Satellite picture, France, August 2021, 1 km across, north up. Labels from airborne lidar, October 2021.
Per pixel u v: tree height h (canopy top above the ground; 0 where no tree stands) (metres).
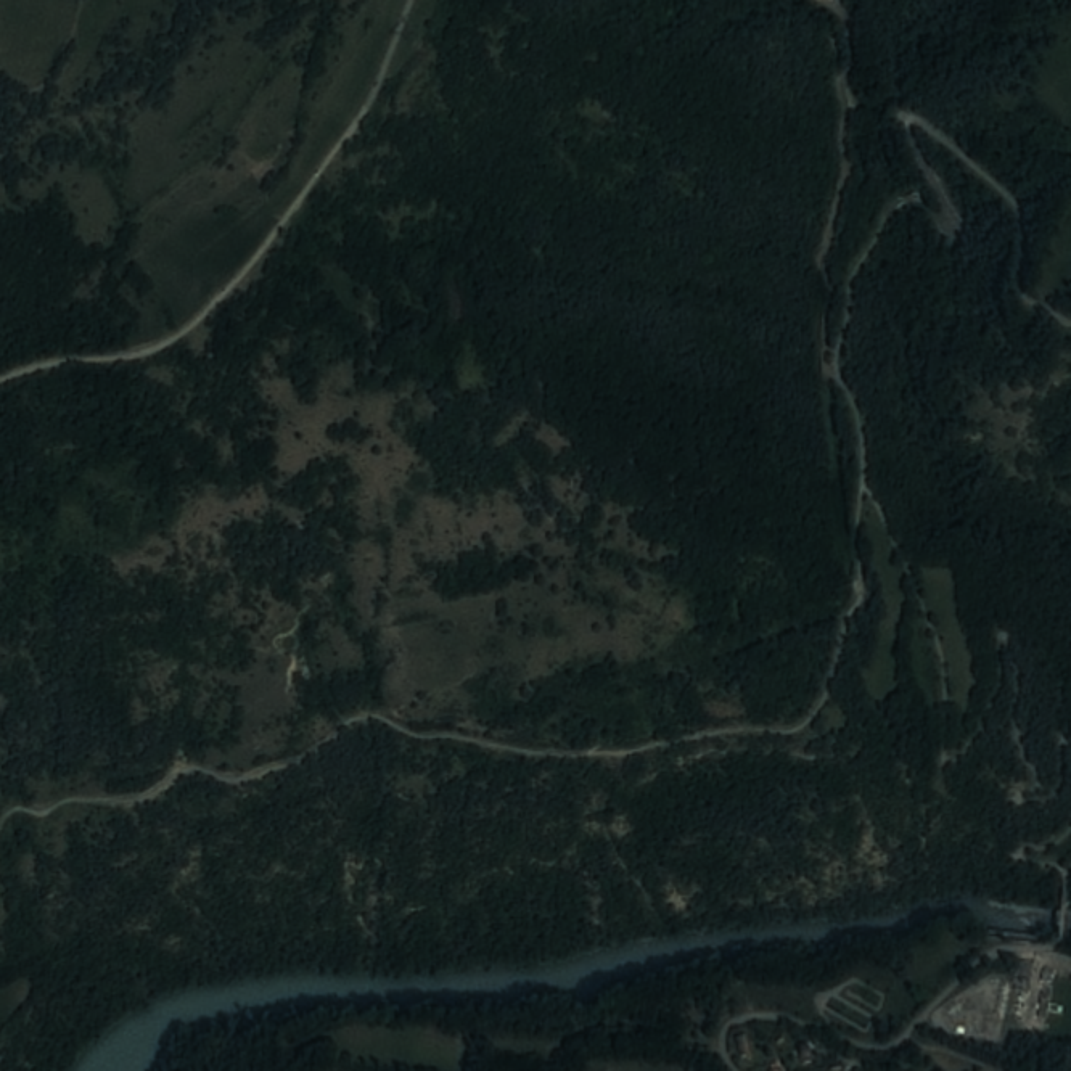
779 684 12
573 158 7
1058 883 13
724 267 11
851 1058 11
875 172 19
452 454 10
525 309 16
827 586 19
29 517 8
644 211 11
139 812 7
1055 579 20
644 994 14
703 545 16
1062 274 0
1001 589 16
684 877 10
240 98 0
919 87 14
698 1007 9
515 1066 11
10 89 10
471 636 0
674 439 21
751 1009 0
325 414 0
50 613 7
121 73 8
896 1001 0
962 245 14
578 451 13
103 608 10
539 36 12
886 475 12
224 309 12
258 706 0
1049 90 0
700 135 12
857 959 14
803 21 13
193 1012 0
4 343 10
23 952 15
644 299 13
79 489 8
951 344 16
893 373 17
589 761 10
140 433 13
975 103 7
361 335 9
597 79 14
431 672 0
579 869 9
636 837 10
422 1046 0
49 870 7
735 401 19
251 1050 11
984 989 0
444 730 9
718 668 5
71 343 9
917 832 7
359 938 15
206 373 9
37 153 7
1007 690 13
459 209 12
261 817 8
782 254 19
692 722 11
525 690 7
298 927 9
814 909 13
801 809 12
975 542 20
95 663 8
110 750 10
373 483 0
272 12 7
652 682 6
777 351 15
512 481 12
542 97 10
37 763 8
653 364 16
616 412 23
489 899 10
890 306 17
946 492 23
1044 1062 15
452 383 7
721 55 14
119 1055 0
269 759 7
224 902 8
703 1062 17
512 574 6
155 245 0
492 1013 30
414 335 16
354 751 9
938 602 0
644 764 9
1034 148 11
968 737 10
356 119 0
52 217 10
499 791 12
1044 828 9
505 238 10
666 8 17
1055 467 11
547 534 7
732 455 20
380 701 8
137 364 9
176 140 0
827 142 11
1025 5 7
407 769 7
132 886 6
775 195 15
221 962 13
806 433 19
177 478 11
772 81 11
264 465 10
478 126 7
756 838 7
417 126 10
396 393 8
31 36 0
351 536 8
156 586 11
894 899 10
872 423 14
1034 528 19
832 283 11
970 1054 17
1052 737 20
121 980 12
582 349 16
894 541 10
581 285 18
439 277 15
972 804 9
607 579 0
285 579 9
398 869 10
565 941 12
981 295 13
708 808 15
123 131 11
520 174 14
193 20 7
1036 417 7
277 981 0
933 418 20
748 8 16
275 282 7
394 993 0
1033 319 6
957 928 15
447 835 8
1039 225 18
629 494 12
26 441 13
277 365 7
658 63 15
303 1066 14
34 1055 14
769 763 11
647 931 11
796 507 15
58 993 10
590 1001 12
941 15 13
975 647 13
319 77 9
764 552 13
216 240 0
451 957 16
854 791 8
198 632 8
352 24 0
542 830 6
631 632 0
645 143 10
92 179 0
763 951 17
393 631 0
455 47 7
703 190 10
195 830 12
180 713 8
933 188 9
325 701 9
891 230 12
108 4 0
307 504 12
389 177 9
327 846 9
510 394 9
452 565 7
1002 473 12
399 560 0
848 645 15
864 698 14
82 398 10
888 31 14
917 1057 18
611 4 9
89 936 9
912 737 15
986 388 8
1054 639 16
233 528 8
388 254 14
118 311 9
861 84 13
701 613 7
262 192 9
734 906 13
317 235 10
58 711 10
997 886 12
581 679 7
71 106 8
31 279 8
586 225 14
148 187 0
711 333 15
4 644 7
